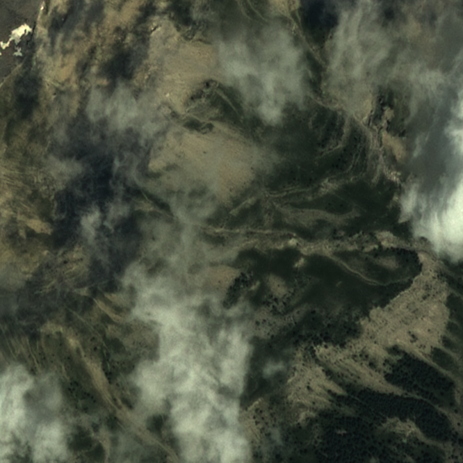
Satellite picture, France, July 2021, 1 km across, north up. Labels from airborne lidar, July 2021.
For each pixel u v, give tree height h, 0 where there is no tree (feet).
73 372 0
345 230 0
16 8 0
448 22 0
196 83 0
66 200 0
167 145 0
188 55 0
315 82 0
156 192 0
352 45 0
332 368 0
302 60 0
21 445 0
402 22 0
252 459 0
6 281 0
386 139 0
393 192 0
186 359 0
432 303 0
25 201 0
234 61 0
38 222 0
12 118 0
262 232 0
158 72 0
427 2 0
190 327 24
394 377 51
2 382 0
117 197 0
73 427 0
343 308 0
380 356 0
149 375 0
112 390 0
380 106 0
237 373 0
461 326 0
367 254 0
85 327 0
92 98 0
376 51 0
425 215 0
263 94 0
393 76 0
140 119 0
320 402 0
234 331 0
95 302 0
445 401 0
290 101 0
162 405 0
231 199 0
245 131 0
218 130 0
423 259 0
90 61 0
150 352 0
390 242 0
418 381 44
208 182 0
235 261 0
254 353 0
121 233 0
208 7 0
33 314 0
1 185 0
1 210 0
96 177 0
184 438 0
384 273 0
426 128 0
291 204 0
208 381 36
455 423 0
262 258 0
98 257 0
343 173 0
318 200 0
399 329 0
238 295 0
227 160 0
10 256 0
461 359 0
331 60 0
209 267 0
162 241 0
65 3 0
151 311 0
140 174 0
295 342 30
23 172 0
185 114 0
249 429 0
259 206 0
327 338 47
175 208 0
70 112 0
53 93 0
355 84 0
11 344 0
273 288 0
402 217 0
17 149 0
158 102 0
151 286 0
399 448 46
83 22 0
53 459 0
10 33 0
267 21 0
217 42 0
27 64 0
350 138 0
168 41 0
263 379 0
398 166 0
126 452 0
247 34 0
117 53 0
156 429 0
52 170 0
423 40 0
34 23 0
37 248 0
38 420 0
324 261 0
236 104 0
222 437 0
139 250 0
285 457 0
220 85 0
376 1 0
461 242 0
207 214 0
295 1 0
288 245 0
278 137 0
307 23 0
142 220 0
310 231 0
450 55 0
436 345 0
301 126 0
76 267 0
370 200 0
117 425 0
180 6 0
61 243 0
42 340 0
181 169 0
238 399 0
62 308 0
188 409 21
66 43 0
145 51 0
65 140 0
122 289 0
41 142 0
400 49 0
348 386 32
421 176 0
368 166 0
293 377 0
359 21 0
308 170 0
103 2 0
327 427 31
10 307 0
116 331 0
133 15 0
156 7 0
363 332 0
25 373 0
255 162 0
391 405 45
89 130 0
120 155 0
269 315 0
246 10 0
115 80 0
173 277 0
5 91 0
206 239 0
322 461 50
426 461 57
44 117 0
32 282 0
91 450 0
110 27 0
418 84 0
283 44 0
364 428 41
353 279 0
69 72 0
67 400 0
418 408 54
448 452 0
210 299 0
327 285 0
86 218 0
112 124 0
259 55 0
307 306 0
